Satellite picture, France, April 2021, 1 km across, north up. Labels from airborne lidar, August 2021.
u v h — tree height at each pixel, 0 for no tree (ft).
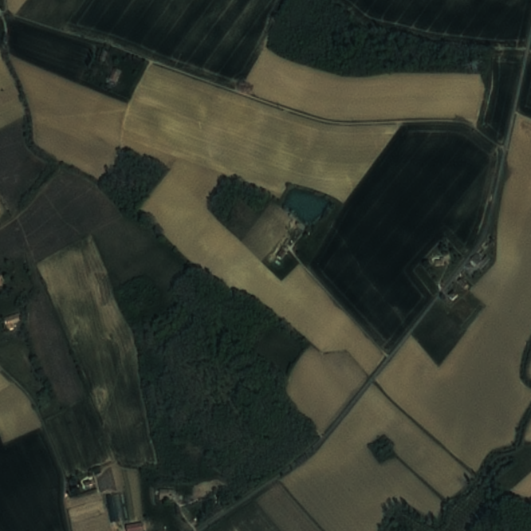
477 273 28
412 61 74
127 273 0
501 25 0
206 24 0
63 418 0
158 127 0
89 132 0
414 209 0
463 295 0
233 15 0
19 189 0
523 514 63
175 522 0
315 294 0
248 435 70
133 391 0
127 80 0
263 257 0
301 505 0
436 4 0
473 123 0
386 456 26
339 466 0
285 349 0
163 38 0
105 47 27
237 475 58
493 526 54
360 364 0
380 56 51
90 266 0
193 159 0
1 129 0
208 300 74
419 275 0
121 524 0
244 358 90
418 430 0
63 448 0
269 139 0
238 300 78
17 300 31
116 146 0
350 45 76
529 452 0
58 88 0
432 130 0
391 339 0
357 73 26
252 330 76
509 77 0
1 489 0
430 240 0
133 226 0
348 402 0
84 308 0
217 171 0
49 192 0
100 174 0
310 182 0
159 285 0
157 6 0
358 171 0
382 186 0
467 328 0
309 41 44
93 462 0
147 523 0
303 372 0
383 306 0
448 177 0
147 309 0
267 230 0
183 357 52
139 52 0
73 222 0
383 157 0
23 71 0
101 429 0
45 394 36
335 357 0
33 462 0
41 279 27
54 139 0
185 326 40
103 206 0
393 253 0
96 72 31
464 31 0
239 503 52
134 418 0
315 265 0
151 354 25
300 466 54
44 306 0
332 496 0
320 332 0
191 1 0
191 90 0
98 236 0
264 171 0
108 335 0
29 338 50
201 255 0
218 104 0
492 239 32
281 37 40
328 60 30
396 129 0
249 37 0
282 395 66
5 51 40
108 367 0
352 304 0
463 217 0
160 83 0
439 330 0
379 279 0
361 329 0
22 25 0
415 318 0
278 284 0
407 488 0
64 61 0
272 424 63
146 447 0
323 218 25
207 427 51
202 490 0
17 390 0
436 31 0
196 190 0
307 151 0
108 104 0
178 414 55
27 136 33
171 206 0
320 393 0
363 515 0
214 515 77
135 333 45
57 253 0
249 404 65
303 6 49
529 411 21
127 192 47
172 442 37
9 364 0
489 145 0
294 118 0
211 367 60
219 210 58
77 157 0
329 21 33
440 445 0
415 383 0
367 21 0
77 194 0
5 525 0
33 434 0
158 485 44
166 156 0
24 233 0
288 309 0
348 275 0
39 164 0
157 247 0
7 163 0
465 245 0
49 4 0
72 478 37
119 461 0
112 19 0
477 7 0
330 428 0
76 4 0
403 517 35
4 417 0
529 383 30
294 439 52
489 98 0
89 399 0
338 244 0
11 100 0
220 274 0
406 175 0
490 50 68
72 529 0
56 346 0
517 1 0
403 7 0
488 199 0
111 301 0
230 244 0
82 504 0
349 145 0
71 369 0
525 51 0
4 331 21
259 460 56
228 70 0
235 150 0
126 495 0
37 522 0
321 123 0
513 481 0
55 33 0
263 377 79
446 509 36
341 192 0
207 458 51
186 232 0
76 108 0
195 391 58
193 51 0
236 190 59
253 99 0
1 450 0
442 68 54
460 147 0
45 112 0
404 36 63
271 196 43
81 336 0
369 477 0
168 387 52
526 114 0
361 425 0
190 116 0
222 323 58
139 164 66
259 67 0
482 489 32
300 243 0
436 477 0
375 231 0
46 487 0
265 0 0
